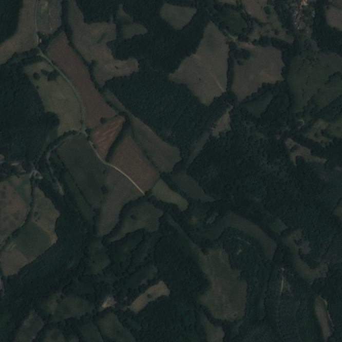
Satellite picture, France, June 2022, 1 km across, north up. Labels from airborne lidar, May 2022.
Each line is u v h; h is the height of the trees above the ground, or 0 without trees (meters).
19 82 23
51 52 0
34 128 21
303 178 19
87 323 14
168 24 18
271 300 18
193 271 22
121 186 0
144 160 0
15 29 14
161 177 10
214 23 17
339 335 9
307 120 0
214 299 0
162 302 20
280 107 8
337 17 0
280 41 16
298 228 17
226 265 0
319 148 20
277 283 11
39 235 0
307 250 0
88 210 0
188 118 6
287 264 14
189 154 8
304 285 15
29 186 0
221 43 0
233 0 0
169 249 21
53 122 20
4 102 11
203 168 10
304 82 0
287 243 0
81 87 0
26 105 16
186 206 0
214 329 0
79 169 0
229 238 11
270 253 0
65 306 0
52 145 10
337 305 6
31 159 16
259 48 0
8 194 0
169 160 0
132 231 0
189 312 18
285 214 12
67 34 16
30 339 0
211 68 0
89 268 8
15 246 0
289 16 6
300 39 8
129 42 17
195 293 15
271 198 17
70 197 20
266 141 16
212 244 20
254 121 17
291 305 14
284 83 19
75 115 0
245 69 0
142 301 0
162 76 14
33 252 0
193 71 0
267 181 17
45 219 0
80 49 0
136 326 0
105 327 0
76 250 18
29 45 0
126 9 11
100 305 17
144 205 0
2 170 9
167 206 15
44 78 0
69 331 9
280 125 14
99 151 0
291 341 16
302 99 0
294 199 19
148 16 16
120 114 7
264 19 0
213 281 0
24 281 15
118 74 0
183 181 0
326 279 17
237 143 16
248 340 15
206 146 11
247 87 0
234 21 0
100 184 0
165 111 9
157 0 20
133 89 9
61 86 0
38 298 28
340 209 0
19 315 19
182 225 16
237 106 7
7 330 11
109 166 0
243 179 19
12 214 0
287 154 9
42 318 12
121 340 0
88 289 0
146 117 9
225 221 0
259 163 15
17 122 16
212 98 0
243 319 10
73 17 0
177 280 21
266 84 16
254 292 10
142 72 10
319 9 17
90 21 7
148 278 0
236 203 10
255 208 12
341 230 18
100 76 0
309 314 6
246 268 14
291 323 17
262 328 18
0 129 14
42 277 19
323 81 0
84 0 21
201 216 0
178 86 8
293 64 0
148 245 0
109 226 0
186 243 0
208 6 19
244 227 0
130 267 20
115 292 11
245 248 9
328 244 11
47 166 11
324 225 9
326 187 18
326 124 0
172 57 16
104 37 0
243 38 22
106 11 18
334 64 0
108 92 0
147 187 0
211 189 22
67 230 10
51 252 15
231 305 0
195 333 6
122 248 0
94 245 0
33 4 0
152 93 9
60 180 15
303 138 20
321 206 20
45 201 0
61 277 17
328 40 20
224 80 0
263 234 0
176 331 6
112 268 25
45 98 0
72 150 0
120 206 0
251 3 0
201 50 0
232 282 0
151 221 0
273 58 0
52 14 0
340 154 20
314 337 7
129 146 0
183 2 18
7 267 0
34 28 0
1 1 16
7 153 14
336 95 0
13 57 10
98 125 0
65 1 18
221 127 0
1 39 18
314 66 10
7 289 16
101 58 0
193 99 9
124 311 8
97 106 0
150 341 21
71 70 0
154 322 17
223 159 20
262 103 0
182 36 18
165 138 8
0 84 13
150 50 17
